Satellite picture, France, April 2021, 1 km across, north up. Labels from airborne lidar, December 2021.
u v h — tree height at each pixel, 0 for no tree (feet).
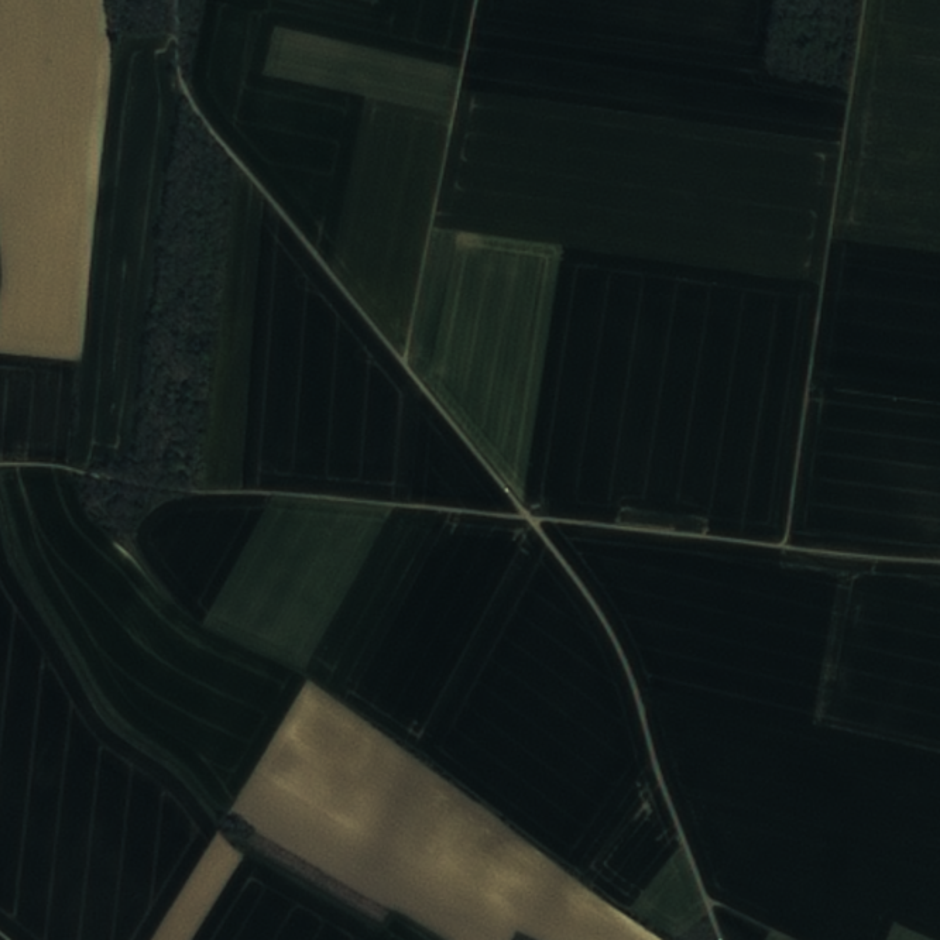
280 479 0
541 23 0
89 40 0
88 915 0
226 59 0
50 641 0
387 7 0
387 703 0
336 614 0
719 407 0
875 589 0
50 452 0
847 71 39
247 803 0
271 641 0
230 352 0
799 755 0
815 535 0
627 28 0
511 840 0
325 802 0
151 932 0
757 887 0
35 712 0
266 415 0
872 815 0
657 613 0
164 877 0
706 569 0
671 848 0
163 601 0
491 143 0
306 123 0
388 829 0
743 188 0
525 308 0
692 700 0
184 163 59
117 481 24
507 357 0
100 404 0
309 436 0
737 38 0
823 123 0
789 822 0
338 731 0
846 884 0
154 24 48
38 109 0
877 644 0
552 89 0
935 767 0
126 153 0
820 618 0
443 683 0
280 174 0
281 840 0
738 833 0
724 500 0
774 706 0
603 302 0
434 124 0
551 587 0
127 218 0
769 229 0
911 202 0
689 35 0
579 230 0
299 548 0
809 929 0
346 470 0
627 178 0
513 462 0
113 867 0
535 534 0
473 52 0
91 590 0
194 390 51
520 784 0
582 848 0
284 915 0
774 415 0
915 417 0
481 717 0
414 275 0
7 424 0
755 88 0
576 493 0
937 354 0
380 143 0
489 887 0
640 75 0
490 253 0
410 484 0
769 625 0
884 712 0
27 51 0
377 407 0
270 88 0
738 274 0
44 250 0
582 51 0
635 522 0
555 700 0
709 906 0
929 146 0
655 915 0
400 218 0
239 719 0
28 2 0
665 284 0
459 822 0
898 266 0
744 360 0
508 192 0
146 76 0
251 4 0
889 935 0
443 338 0
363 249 0
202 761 0
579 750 0
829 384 0
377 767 0
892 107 0
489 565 0
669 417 0
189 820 0
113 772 0
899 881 0
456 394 0
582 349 0
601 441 0
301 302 0
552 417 0
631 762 0
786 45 66
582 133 0
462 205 0
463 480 0
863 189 0
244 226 0
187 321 59
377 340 0
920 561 0
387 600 0
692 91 0
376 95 0
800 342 0
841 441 0
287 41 0
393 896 0
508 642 0
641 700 0
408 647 0
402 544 0
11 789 0
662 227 0
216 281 44
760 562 0
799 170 0
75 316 0
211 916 0
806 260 0
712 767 0
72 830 0
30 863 0
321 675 0
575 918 0
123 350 0
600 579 0
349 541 0
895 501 0
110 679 0
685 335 0
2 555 0
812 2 78
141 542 0
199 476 43
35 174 0
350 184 0
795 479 0
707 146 0
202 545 0
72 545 0
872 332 0
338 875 0
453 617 0
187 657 0
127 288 0
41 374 0
